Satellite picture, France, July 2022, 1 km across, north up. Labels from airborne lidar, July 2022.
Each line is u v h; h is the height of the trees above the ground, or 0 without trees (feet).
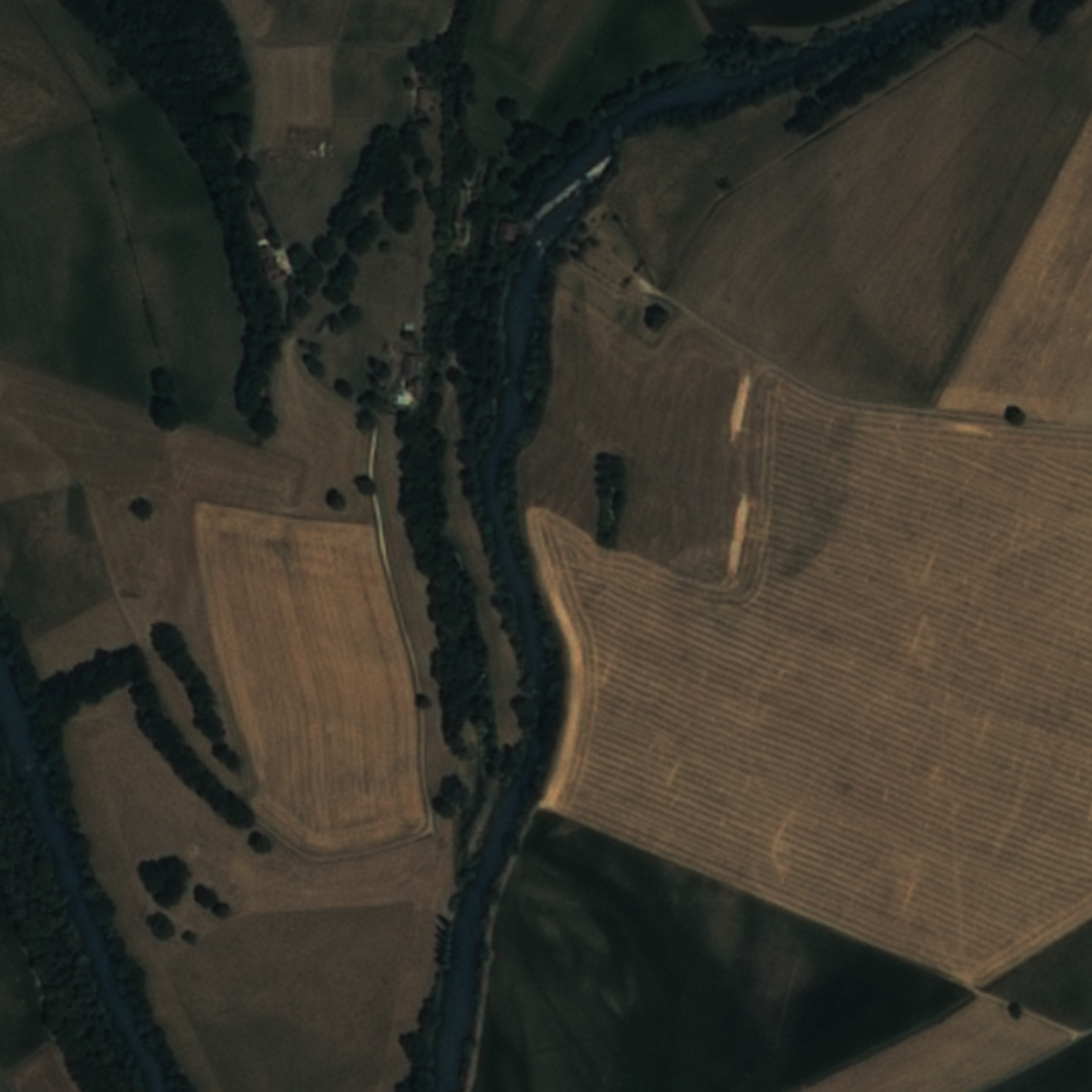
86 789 0
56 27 0
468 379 80
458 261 34
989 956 0
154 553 0
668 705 0
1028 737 0
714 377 0
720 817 0
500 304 28
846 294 0
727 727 0
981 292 0
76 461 0
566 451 0
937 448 0
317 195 0
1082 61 0
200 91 53
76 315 0
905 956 0
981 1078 0
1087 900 0
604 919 0
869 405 0
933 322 0
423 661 0
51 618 0
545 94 0
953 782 0
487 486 0
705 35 0
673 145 0
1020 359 0
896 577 0
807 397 0
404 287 0
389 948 0
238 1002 0
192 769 80
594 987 0
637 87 46
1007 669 0
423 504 74
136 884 0
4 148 0
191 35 58
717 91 0
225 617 0
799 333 0
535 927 0
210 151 74
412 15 0
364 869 0
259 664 0
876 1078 0
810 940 0
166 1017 0
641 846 0
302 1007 0
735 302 0
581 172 0
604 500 48
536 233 0
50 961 62
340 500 61
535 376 68
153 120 0
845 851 0
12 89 0
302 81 0
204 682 49
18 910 58
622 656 0
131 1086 51
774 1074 0
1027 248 0
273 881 0
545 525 0
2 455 0
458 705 97
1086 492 0
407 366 0
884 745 0
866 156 0
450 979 0
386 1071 0
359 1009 0
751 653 0
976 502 0
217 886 0
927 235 0
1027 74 0
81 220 0
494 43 0
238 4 0
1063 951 0
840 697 0
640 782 0
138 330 0
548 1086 0
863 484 0
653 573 0
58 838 0
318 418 0
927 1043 0
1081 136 0
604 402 0
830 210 0
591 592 0
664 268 0
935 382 0
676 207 0
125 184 0
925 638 0
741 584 0
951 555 0
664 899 0
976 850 0
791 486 0
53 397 0
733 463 0
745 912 0
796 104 0
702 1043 0
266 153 0
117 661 73
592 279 0
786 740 0
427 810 0
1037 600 0
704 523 0
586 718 0
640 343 0
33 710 84
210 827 0
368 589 0
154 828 0
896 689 0
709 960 0
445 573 88
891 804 0
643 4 0
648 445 0
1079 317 0
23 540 0
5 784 72
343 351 0
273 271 0
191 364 0
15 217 0
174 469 0
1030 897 0
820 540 0
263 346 45
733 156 0
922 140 0
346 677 0
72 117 0
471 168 33
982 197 0
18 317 0
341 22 0
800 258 0
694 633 0
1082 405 0
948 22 44
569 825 0
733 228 0
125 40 45
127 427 0
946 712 0
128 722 0
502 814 0
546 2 0
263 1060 0
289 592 0
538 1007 0
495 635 0
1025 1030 0
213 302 0
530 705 61
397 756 0
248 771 0
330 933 0
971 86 0
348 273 55
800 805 0
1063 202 0
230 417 0
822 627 0
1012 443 0
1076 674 0
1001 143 0
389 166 60
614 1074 0
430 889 0
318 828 0
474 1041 26
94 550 0
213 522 0
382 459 0
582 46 0
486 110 0
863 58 48
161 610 0
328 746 0
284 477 0
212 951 0
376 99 0
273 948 0
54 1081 0
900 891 0
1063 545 0
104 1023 83
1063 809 0
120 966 70
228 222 55
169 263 0
